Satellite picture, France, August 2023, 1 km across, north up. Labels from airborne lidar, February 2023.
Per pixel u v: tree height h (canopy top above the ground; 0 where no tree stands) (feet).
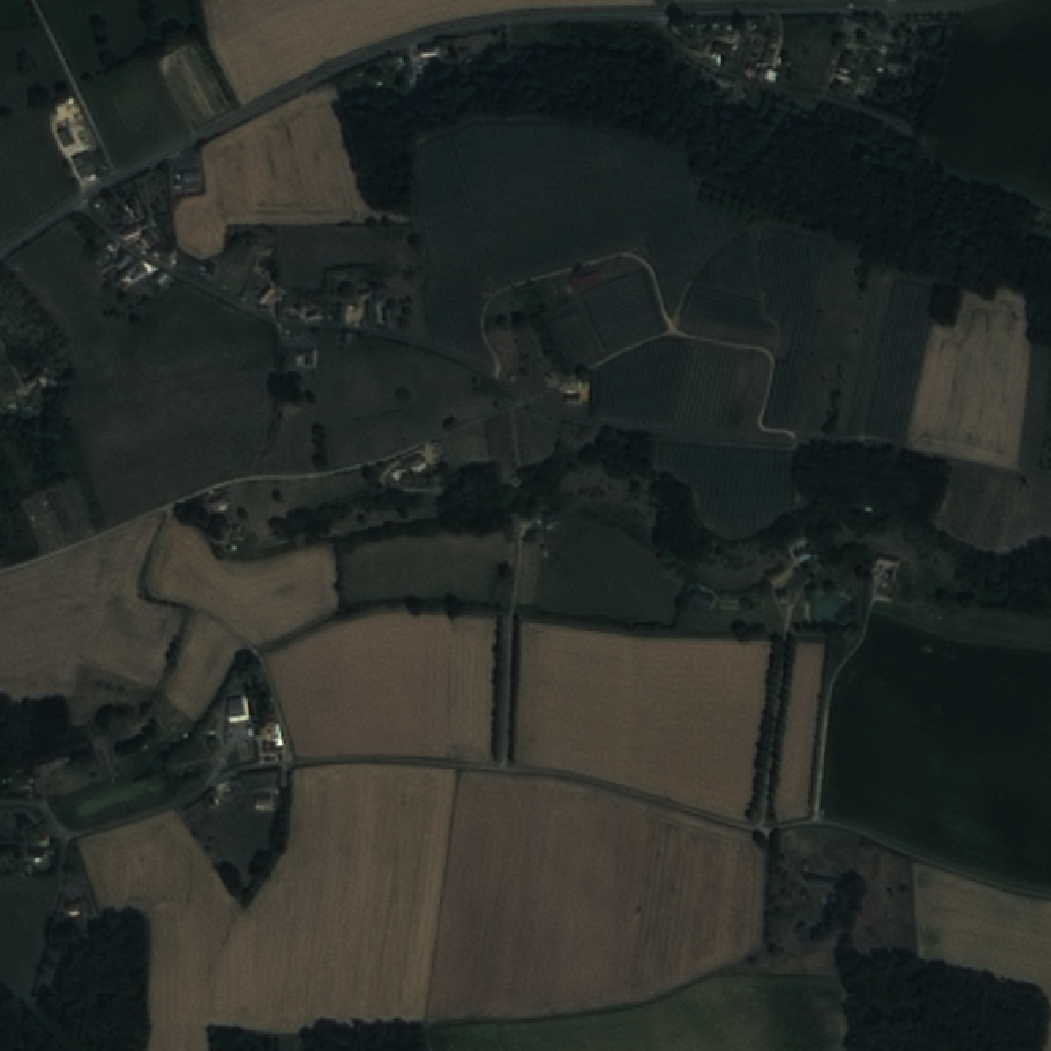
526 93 58
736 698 0
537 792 0
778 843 18
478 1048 0
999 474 0
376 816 0
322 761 0
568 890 0
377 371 0
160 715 0
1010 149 0
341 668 0
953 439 0
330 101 0
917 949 0
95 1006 26
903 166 74
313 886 0
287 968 0
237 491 0
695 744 0
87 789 0
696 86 24
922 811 0
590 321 0
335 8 0
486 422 0
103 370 0
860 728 0
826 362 0
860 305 0
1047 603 69
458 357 0
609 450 50
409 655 0
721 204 28
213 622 0
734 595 21
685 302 0
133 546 0
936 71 36
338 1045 77
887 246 25
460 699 0
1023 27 0
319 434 18
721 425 0
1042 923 0
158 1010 0
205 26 36
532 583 0
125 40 0
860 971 63
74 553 0
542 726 0
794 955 0
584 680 0
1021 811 0
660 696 0
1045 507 0
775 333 0
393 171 36
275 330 0
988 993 54
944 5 0
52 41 0
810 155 70
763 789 25
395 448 0
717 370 0
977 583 20
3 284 25
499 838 0
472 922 0
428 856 0
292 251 0
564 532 0
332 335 0
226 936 0
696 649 0
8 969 0
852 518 45
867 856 0
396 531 26
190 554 0
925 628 0
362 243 0
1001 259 46
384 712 0
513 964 0
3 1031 83
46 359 32
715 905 0
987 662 0
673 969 0
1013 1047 63
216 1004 0
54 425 66
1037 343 31
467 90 53
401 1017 0
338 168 0
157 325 0
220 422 0
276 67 0
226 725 0
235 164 0
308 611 0
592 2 0
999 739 0
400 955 0
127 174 0
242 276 0
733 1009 0
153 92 0
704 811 0
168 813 0
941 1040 54
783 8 0
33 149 0
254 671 55
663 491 48
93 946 41
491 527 32
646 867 0
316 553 0
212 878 0
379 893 0
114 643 0
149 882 0
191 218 0
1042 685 0
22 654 0
